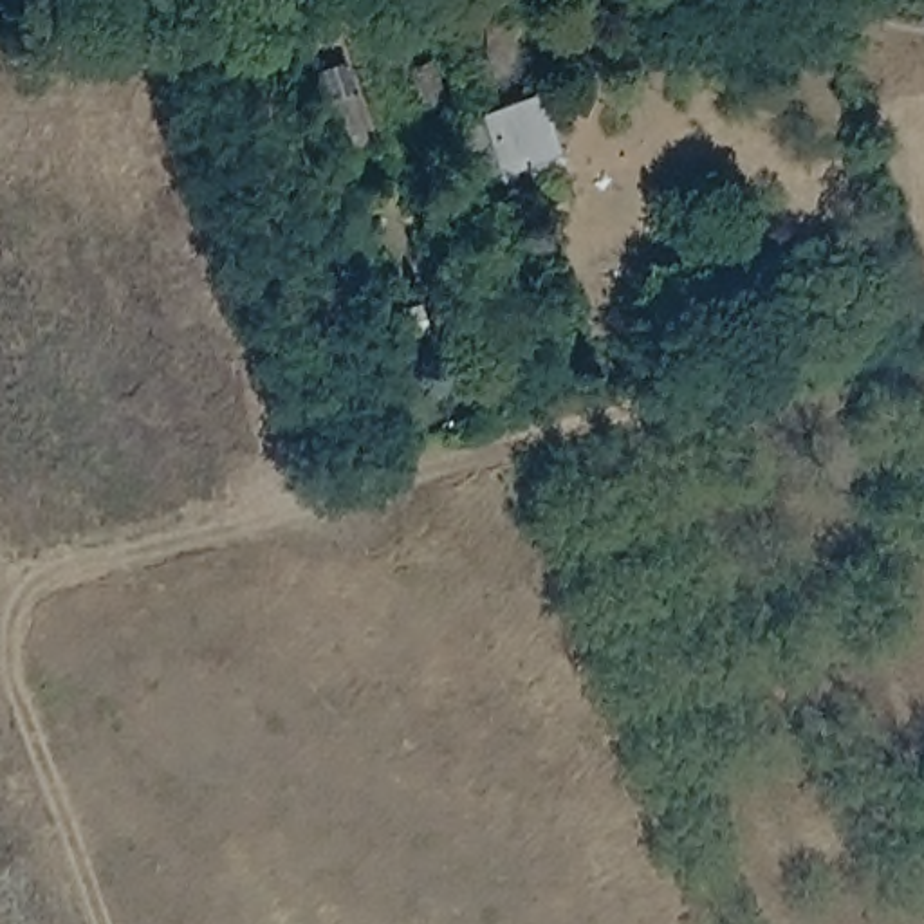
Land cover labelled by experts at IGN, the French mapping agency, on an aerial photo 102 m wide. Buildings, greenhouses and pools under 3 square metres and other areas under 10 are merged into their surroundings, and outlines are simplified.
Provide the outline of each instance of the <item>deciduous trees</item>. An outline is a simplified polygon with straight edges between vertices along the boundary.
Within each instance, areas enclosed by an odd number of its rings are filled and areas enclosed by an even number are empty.
[[[397,498],[411,480],[419,455],[433,440],[444,440],[448,448],[473,448],[531,422],[541,433],[559,430],[559,415],[585,415],[588,422],[592,415],[606,415],[610,404],[632,401],[632,422],[610,426],[606,437],[596,437],[592,430],[563,433],[549,462],[549,480],[534,487],[538,523],[520,531],[527,545],[538,549],[545,559],[541,610],[559,617],[563,653],[574,668],[581,668],[585,697],[592,700],[592,707],[599,707],[606,729],[617,736],[614,783],[624,787],[639,805],[642,845],[653,866],[671,870],[682,892],[682,924],[765,924],[736,866],[736,830],[729,805],[707,787],[729,765],[736,747],[758,751],[769,747],[776,736],[790,733],[801,751],[801,787],[816,787],[819,809],[834,819],[834,830],[845,841],[845,848],[837,855],[823,855],[812,848],[790,852],[780,863],[783,902],[801,920],[809,920],[827,913],[830,899],[855,892],[859,899],[877,895],[881,906],[924,917],[924,780],[902,780],[906,765],[884,765],[884,744],[892,736],[855,725],[855,715],[870,700],[866,686],[859,686],[863,679],[899,671],[902,664],[924,653],[924,249],[910,224],[906,191],[892,180],[888,170],[895,152],[895,130],[881,119],[881,108],[881,90],[855,65],[855,54],[866,47],[866,25],[899,18],[924,25],[924,0],[0,0],[0,69],[14,76],[14,94],[22,97],[47,94],[51,83],[61,83],[61,76],[79,83],[144,79],[152,116],[162,134],[162,162],[170,170],[170,184],[180,191],[188,206],[191,245],[206,256],[209,289],[220,303],[220,314],[235,325],[235,336],[245,350],[253,390],[263,401],[263,437],[292,437],[289,462],[282,469],[285,487],[318,516],[325,516],[339,516],[350,509],[379,513],[386,509],[386,498]],[[592,318],[588,296],[567,260],[567,220],[559,213],[563,202],[574,202],[574,180],[563,166],[552,162],[516,177],[502,177],[491,152],[476,152],[469,144],[473,130],[502,108],[502,87],[491,79],[487,69],[487,36],[494,25],[523,25],[523,40],[534,40],[541,51],[556,54],[534,97],[541,101],[545,116],[556,123],[559,134],[570,134],[578,116],[596,119],[610,137],[624,134],[632,126],[635,83],[650,72],[664,76],[664,101],[671,108],[686,108],[697,90],[711,90],[715,108],[725,119],[747,119],[758,108],[772,112],[772,137],[798,162],[841,155],[841,170],[830,170],[823,177],[823,195],[816,202],[816,217],[837,220],[841,235],[812,242],[794,235],[790,227],[801,213],[787,206],[787,191],[780,180],[751,184],[747,177],[740,177],[736,184],[722,184],[715,191],[689,188],[650,195],[642,235],[657,245],[668,245],[675,260],[650,267],[650,278],[635,296],[635,325],[628,328],[624,343],[610,339],[606,332],[592,336],[599,375],[585,379],[574,375],[570,357],[578,339],[585,339]],[[361,65],[361,87],[372,101],[368,144],[350,141],[339,105],[328,97],[321,83],[325,72],[343,61]],[[440,69],[437,105],[430,105],[415,83],[419,69],[426,65]],[[809,116],[798,87],[805,72],[830,76],[830,94],[841,108],[837,126]],[[401,260],[393,260],[383,245],[379,213],[386,199],[397,199],[401,209],[411,217],[408,249]],[[422,328],[415,328],[411,318],[415,307],[426,307],[430,328],[448,332],[440,350],[440,379],[415,375],[422,339]],[[754,469],[754,444],[769,437],[765,426],[790,419],[801,404],[823,404],[827,411],[841,411],[845,437],[855,448],[859,462],[859,476],[852,480],[852,527],[873,531],[877,545],[859,563],[841,567],[837,588],[830,596],[819,596],[812,621],[794,617],[787,628],[769,632],[769,603],[733,603],[740,563],[729,559],[715,513],[769,505],[765,498],[772,494],[776,476]]]

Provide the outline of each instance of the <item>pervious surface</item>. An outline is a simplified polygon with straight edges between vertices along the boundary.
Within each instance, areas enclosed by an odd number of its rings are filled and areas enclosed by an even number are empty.
[[[58,892],[61,899],[79,895],[87,924],[116,924],[94,866],[87,827],[69,794],[61,765],[54,762],[36,693],[25,682],[25,632],[32,603],[43,592],[58,592],[76,581],[94,581],[108,570],[155,563],[162,556],[199,545],[260,538],[274,527],[321,531],[325,516],[318,516],[285,487],[282,469],[267,455],[235,455],[224,487],[217,487],[209,502],[188,502],[184,509],[162,513],[155,520],[134,520],[105,531],[72,534],[69,545],[54,545],[40,559],[22,559],[18,545],[0,538],[0,682],[11,700],[18,736],[25,744],[43,801],[54,816],[54,823],[40,827],[36,837],[61,837],[61,855],[72,877],[61,881]]]
[[[606,437],[610,426],[632,422],[632,401],[610,404],[606,415],[592,415],[588,422],[585,415],[559,415],[559,430],[563,433],[592,430],[596,437]]]
[[[473,448],[448,448],[444,440],[433,440],[419,455],[411,480],[430,484],[462,466],[494,462],[509,444],[538,440],[541,433],[531,422]]]

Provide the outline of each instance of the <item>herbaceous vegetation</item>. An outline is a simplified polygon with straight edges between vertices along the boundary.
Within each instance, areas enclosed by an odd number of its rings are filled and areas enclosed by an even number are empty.
[[[559,134],[559,155],[552,162],[563,166],[574,180],[574,202],[563,202],[559,213],[567,220],[567,260],[588,296],[592,318],[585,339],[578,339],[570,357],[574,375],[585,379],[599,375],[592,336],[606,332],[610,339],[624,343],[628,328],[635,325],[635,296],[650,278],[650,267],[675,260],[668,245],[657,245],[642,235],[650,195],[689,188],[715,191],[722,184],[736,184],[740,177],[747,177],[751,184],[780,180],[787,191],[787,206],[801,213],[790,227],[794,235],[812,242],[841,235],[837,220],[816,217],[816,202],[823,195],[823,177],[830,170],[841,170],[841,155],[798,162],[772,137],[772,112],[758,108],[747,119],[725,119],[715,108],[711,90],[697,90],[686,108],[671,108],[664,101],[664,76],[650,72],[635,83],[632,126],[624,134],[610,137],[596,119],[578,116],[570,134]]]
[[[448,332],[430,328],[426,307],[415,307],[411,318],[415,328],[422,328],[422,339],[415,375],[440,379],[440,350]]]
[[[924,780],[924,653],[902,664],[899,671],[863,679],[859,686],[866,686],[870,700],[855,715],[855,725],[892,736],[884,744],[884,765],[906,765],[902,780]]]
[[[855,65],[881,90],[881,108],[902,94],[924,94],[924,25],[899,18],[866,25],[866,47],[855,54]]]
[[[819,809],[816,787],[801,787],[801,751],[790,733],[776,736],[769,747],[758,751],[736,747],[729,765],[707,787],[729,805],[736,830],[736,866],[765,924],[924,924],[924,917],[881,906],[877,895],[859,899],[855,892],[830,899],[827,913],[809,920],[801,920],[783,902],[780,863],[790,852],[812,848],[823,855],[837,855],[845,848],[845,841],[834,830],[834,819]]]
[[[523,40],[523,25],[494,25],[487,36],[487,69],[491,79],[502,87],[502,108],[534,97],[556,54],[541,51],[534,40]]]
[[[401,209],[397,199],[386,199],[379,213],[383,245],[393,260],[401,260],[408,249],[411,217]]]
[[[830,76],[805,72],[798,87],[809,116],[837,126],[841,108],[830,94]]]
[[[812,621],[819,596],[830,596],[837,588],[841,567],[859,563],[877,545],[873,531],[852,527],[852,480],[859,476],[859,462],[855,448],[845,437],[841,411],[827,411],[823,404],[801,404],[790,419],[765,426],[769,437],[754,444],[754,469],[776,476],[772,494],[765,498],[769,505],[715,513],[729,559],[740,563],[733,603],[769,603],[769,632],[787,628],[794,617]]]

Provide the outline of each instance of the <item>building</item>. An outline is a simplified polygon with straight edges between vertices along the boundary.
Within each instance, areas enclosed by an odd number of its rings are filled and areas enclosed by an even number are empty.
[[[328,97],[339,105],[350,141],[368,144],[372,101],[361,87],[361,65],[343,61],[325,72],[321,83]]]
[[[559,134],[556,123],[545,116],[541,101],[534,97],[502,108],[473,130],[469,144],[476,152],[491,152],[502,177],[516,177],[552,162],[559,155]]]
[[[419,69],[415,83],[430,105],[437,105],[440,69],[426,65]]]

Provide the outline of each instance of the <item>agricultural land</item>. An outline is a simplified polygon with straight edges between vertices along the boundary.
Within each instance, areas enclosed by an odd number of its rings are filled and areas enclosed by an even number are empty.
[[[155,520],[162,513],[184,509],[188,502],[209,502],[217,487],[224,487],[235,455],[267,455],[282,469],[289,462],[292,437],[263,437],[263,401],[253,390],[245,350],[235,336],[235,325],[220,314],[220,303],[209,289],[206,256],[191,245],[188,206],[180,191],[170,184],[170,170],[162,162],[162,134],[152,116],[144,79],[79,83],[61,76],[61,83],[51,83],[47,94],[22,97],[14,94],[14,76],[0,69],[0,538],[18,545],[22,559],[40,559],[54,545],[69,545],[72,534],[105,531],[134,520]]]
[[[881,108],[881,119],[895,130],[895,152],[888,170],[892,180],[906,191],[910,224],[924,249],[924,94],[902,94]]]
[[[87,924],[79,895],[61,899],[58,892],[61,881],[72,877],[61,855],[61,837],[36,837],[40,827],[54,823],[54,816],[43,801],[25,744],[18,736],[11,700],[0,682],[0,924]]]
[[[339,516],[325,516],[321,531],[274,527],[260,538],[199,545],[162,556],[155,563],[108,570],[94,581],[76,581],[58,592],[43,592],[32,603],[25,632],[25,682],[36,693],[54,762],[61,765],[69,794],[87,827],[94,866],[116,924],[682,924],[682,892],[671,870],[653,866],[642,845],[639,805],[624,787],[614,783],[617,736],[606,729],[599,707],[592,707],[592,700],[585,697],[581,668],[574,668],[563,653],[559,617],[541,610],[545,559],[538,549],[527,545],[520,531],[538,523],[534,487],[549,480],[549,462],[563,433],[559,430],[541,433],[538,440],[509,444],[494,462],[462,466],[430,484],[411,480],[397,498],[386,498],[386,509],[379,513],[350,509]]]

